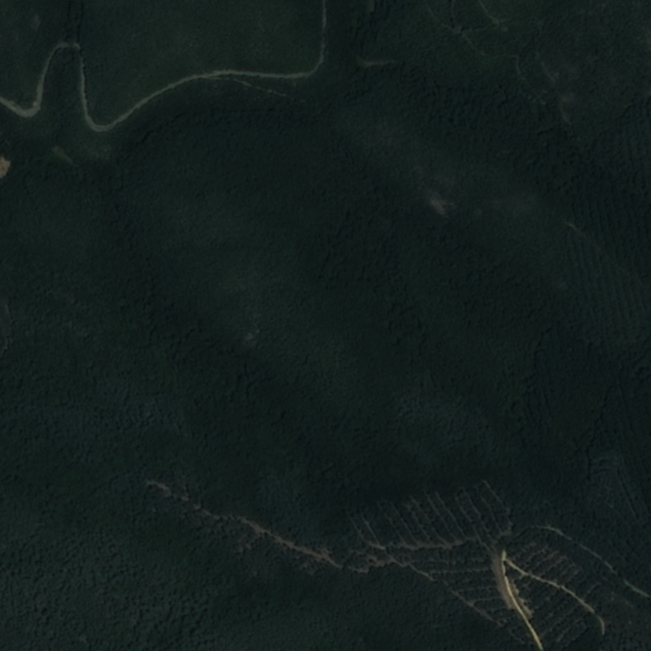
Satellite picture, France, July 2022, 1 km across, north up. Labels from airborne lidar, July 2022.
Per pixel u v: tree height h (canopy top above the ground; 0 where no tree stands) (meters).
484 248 14
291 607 12
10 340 9
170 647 18
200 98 10
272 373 19
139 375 15
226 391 24
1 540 14
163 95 10
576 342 15
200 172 10
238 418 18
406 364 14
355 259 17
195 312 10
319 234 14
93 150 7
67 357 6
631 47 13
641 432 15
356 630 14
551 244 10
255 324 6
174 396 16
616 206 13
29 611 16
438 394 11
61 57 13
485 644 14
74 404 15
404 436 12
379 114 9
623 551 19
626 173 15
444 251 16
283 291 11
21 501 15
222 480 17
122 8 8
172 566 11
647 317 10
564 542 18
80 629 9
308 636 13
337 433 14
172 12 6
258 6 7
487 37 7
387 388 9
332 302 14
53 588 14
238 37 8
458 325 14
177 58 8
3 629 12
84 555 9
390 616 14
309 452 19
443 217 9
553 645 13
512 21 9
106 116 8
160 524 14
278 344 12
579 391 19
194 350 20
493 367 13
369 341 12
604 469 14
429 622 14
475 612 13
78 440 18
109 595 16
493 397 15
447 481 14
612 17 7
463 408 11
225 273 8
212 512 14
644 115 10
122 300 20
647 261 17
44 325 13
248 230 10
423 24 7
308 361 15
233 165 12
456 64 10
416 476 16
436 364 14
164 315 20
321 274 15
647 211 15
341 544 15
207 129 17
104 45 11
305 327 7
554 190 18
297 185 11
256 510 13
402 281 15
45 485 16
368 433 17
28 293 12
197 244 6
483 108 12
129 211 13
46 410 20
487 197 8
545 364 15
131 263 13
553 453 18
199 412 16
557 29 6
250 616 12
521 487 9
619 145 9
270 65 9
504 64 15
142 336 18
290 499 19
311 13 13
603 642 13
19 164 16
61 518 14
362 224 13
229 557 16
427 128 14
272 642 11
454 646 16
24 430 16
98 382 17
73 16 10
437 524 9
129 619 17
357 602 14
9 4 7
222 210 8
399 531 15
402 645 16
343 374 11
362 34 22
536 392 20
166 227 9
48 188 12
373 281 19
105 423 17
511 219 6
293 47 9
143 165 14
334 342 7
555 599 14
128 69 8
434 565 14
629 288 11
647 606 18
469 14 6
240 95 10
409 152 8
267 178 13
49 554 16
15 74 6
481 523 13
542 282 9
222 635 12
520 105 20
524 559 12
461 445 13
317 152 9
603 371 18
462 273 14
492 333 14
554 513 18
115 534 13
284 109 13
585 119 12
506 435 20
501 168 8
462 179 7
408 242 11
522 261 9
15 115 8
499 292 15
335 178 11
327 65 9
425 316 15
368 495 18
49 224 7
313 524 19
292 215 14
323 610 14
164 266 7
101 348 10
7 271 13
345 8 11
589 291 11
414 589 12
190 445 15
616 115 14
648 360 11
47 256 9
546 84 7
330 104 17
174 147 12
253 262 7
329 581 14
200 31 7
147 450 17
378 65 11
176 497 22
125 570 7
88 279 15
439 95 19
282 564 14
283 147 12
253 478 15
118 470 14
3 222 14
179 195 10
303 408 11
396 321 17
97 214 10
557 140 7
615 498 19
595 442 23
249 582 13
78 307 15
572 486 20
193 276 8
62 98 8
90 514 19
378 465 15
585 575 12
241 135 14
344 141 13
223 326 10
